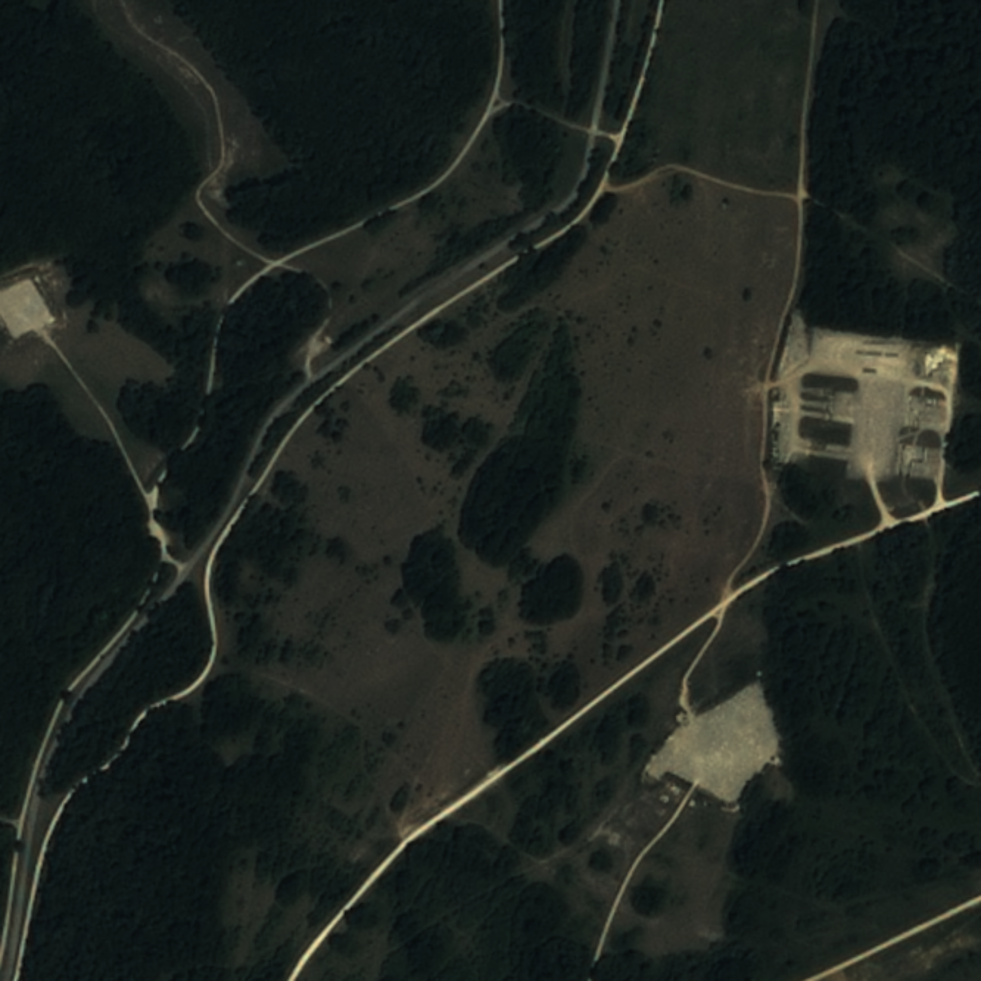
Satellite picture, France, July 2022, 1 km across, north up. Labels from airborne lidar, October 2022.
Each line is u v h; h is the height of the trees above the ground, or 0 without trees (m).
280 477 11
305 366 0
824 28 0
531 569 12
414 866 6
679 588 0
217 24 16
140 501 8
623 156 7
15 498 20
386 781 0
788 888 0
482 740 0
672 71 0
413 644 0
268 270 0
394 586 0
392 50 26
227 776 12
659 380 0
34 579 13
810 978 0
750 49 0
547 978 21
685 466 0
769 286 0
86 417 0
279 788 14
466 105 13
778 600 7
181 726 7
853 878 10
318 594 0
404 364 0
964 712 13
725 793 0
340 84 16
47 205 22
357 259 0
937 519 10
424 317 0
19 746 15
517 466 9
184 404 7
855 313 19
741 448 0
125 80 18
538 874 0
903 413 0
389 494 0
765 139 0
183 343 13
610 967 8
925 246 0
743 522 0
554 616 10
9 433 23
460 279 0
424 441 8
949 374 0
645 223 0
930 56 14
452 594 10
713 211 0
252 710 9
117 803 23
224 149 0
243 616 8
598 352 0
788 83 0
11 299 0
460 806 0
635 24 0
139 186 21
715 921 0
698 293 0
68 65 20
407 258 0
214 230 0
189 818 18
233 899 0
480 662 0
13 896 0
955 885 0
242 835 6
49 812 0
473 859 12
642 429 0
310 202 16
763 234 0
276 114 21
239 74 19
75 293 11
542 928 18
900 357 0
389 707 0
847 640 7
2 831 14
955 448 10
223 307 0
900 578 12
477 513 13
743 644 0
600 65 9
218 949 9
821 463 0
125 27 0
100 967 18
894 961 0
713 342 0
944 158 23
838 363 0
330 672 0
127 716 15
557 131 11
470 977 6
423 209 9
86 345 0
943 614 13
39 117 19
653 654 0
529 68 16
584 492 0
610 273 0
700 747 0
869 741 9
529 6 18
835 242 17
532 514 16
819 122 15
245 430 12
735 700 0
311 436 0
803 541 9
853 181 13
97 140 24
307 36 21
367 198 8
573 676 7
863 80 22
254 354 20
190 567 0
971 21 28
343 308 0
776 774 0
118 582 24
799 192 0
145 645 15
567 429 7
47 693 13
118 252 15
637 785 0
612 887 0
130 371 0
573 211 9
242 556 8
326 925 0
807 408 0
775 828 19
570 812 6
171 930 19
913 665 11
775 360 0
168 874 18
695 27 0
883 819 0
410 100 19
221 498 20
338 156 15
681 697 0
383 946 0
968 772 0
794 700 13
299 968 0
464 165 0
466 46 19
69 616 23
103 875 22
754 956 11
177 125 18
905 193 10
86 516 14
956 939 0
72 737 15
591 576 0
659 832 0
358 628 0
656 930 0
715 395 0
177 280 14
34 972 14
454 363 0
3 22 17
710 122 0
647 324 0
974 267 17
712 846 0
